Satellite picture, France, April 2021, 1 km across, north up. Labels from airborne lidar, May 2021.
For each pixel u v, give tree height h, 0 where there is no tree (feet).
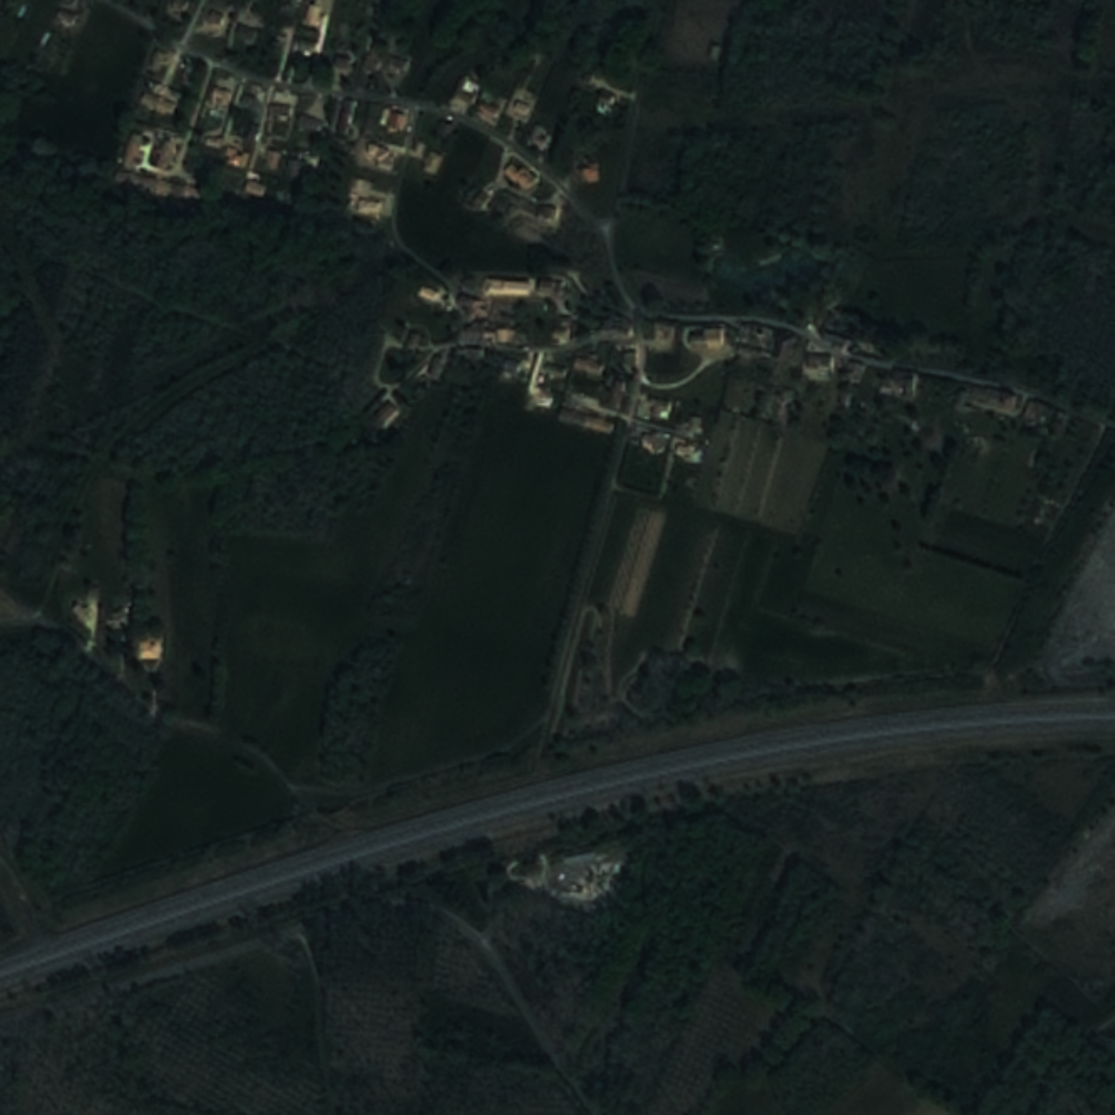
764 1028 0
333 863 0
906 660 0
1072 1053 65
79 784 48
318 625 0
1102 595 0
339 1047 22
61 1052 23
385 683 37
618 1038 40
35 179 73
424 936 83
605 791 0
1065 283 86
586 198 0
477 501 0
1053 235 40
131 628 35
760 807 28
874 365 0
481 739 0
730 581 0
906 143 0
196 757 0
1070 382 58
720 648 0
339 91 0
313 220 74
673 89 27
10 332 58
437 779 33
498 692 0
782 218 22
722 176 31
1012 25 26
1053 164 0
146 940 0
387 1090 71
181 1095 75
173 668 0
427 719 0
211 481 59
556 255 35
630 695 27
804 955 19
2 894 0
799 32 45
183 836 0
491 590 0
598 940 61
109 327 32
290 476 52
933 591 0
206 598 0
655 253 0
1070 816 0
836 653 0
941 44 42
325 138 35
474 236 0
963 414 0
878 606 0
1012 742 0
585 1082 27
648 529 0
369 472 26
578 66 37
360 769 32
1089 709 0
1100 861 0
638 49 77
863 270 0
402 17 83
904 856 51
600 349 0
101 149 0
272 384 47
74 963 0
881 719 0
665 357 0
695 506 0
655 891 65
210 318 41
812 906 48
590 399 0
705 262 56
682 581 0
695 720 47
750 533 0
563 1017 52
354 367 36
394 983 68
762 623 0
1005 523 0
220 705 27
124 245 28
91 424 30
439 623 0
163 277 56
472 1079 32
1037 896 18
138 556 70
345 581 0
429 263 0
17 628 0
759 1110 0
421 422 0
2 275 62
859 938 45
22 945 0
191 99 49
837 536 0
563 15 66
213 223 77
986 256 35
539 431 0
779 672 0
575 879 0
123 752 59
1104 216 39
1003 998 0
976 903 44
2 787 18
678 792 0
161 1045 77
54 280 67
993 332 0
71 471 32
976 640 0
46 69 21
